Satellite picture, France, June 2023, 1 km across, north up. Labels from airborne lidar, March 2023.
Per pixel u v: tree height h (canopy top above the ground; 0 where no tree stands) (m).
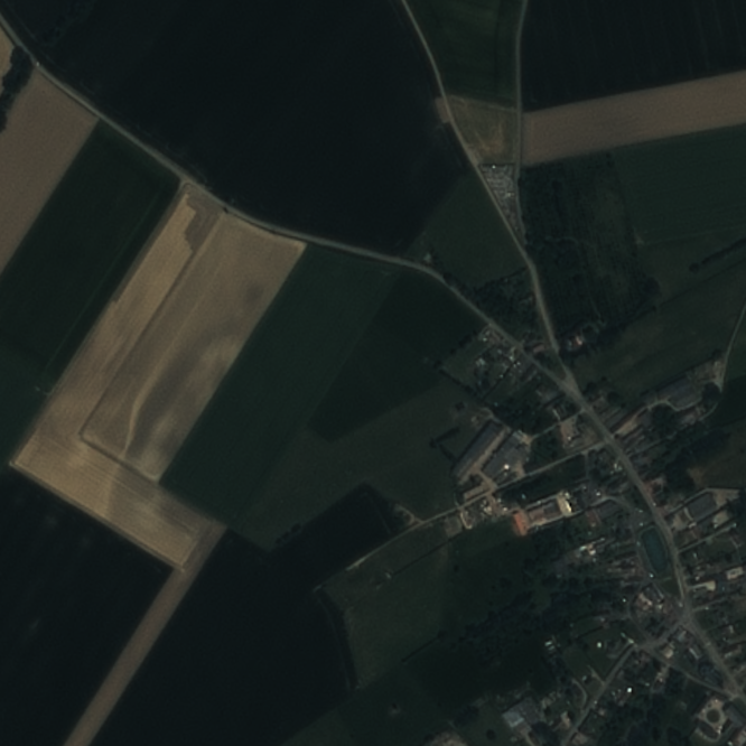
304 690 0
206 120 0
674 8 0
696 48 0
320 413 0
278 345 0
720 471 0
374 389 0
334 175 0
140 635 0
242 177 0
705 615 0
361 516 0
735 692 0
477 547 0
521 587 0
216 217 0
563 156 0
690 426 7
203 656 0
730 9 0
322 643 0
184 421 0
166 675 0
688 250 0
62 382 0
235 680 0
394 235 0
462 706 0
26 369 0
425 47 0
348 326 0
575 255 17
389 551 0
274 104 0
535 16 0
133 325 0
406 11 0
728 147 0
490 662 11
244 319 0
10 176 0
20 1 0
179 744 0
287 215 0
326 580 0
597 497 0
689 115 0
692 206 0
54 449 0
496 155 0
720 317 0
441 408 0
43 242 0
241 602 0
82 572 0
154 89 0
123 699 0
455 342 0
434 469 0
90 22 0
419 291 0
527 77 0
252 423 0
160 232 0
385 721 0
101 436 0
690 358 0
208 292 0
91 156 0
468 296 9
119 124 0
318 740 0
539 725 14
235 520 0
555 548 9
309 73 0
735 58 0
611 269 0
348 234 0
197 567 0
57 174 0
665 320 0
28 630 0
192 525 0
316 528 0
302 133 0
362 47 0
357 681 0
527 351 7
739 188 0
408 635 0
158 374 0
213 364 0
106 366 0
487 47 0
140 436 0
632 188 0
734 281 0
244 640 0
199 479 0
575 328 7
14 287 0
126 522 0
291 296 0
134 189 0
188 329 0
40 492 0
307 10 0
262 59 0
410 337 0
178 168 0
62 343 0
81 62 0
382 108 0
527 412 11
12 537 0
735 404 0
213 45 0
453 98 0
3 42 0
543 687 0
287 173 0
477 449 0
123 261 0
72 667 0
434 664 0
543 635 0
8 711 0
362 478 0
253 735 0
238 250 0
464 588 0
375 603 0
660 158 0
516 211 0
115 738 0
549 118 0
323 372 0
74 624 0
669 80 0
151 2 0
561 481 0
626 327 10
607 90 0
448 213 0
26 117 0
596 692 0
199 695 0
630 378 0
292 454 0
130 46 0
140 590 0
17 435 0
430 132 0
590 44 0
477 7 0
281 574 0
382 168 0
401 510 0
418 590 0
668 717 0
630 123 0
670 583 0
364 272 0
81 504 0
